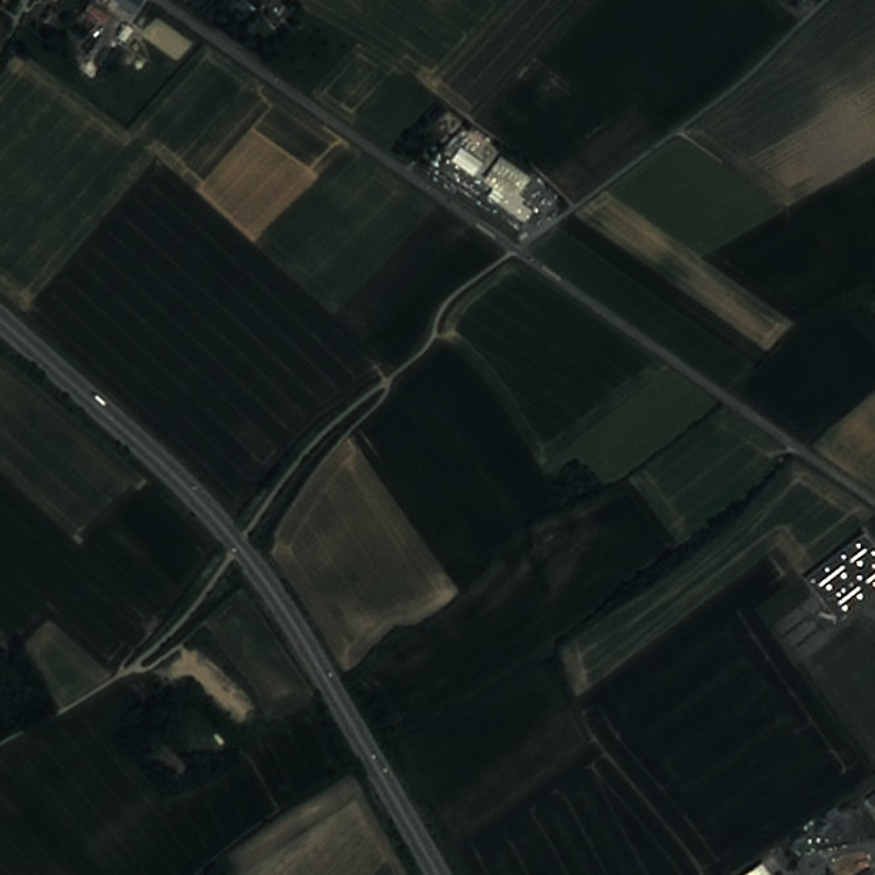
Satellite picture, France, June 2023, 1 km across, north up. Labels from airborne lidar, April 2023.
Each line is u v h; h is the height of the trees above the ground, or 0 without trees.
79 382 0
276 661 0
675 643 0
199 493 0
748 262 0
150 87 0
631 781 0
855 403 0
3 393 0
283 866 0
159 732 8
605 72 0
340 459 0
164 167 0
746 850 0
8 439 0
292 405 0
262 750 0
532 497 0
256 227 0
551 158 0
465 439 0
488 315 0
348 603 0
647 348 0
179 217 0
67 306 0
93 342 0
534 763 0
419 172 0
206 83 0
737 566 0
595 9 0
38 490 0
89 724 0
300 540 0
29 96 0
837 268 0
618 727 0
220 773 6
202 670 0
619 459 0
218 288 0
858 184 0
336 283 0
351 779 0
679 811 0
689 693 0
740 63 0
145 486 0
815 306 0
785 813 0
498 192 0
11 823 0
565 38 0
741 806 0
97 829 0
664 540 0
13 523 0
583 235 0
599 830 0
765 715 0
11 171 0
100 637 0
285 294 0
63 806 0
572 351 0
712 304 0
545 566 0
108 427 0
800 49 0
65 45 7
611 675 0
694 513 0
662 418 0
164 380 0
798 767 0
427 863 0
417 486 0
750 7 0
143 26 0
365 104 0
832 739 0
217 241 0
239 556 0
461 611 0
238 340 0
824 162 0
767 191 0
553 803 0
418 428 0
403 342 0
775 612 0
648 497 0
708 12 0
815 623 0
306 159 0
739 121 0
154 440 0
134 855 0
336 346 0
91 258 0
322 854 0
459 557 0
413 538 0
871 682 0
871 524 0
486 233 0
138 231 0
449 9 0
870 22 0
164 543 0
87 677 0
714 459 0
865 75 0
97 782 0
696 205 0
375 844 0
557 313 0
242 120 0
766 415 0
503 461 0
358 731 0
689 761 0
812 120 0
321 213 0
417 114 0
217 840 0
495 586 0
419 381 0
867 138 0
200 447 0
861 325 0
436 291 0
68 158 0
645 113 0
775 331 0
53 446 0
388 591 0
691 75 0
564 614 0
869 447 0
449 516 0
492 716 0
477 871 0
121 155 0
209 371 0
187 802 0
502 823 0
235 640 0
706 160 0
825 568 0
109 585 0
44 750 0
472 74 0
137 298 0
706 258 0
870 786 0
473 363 0
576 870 0
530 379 0
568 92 0
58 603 0
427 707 0
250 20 7
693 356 0
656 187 0
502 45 0
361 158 0
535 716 0
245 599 0
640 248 0
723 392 0
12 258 0
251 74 0
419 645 0
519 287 0
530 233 0
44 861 0
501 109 0
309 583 0
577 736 0
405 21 0
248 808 0
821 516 0
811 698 0
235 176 0
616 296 0
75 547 0
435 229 0
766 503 0
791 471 0
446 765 0
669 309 0
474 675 0
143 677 0
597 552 0
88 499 0
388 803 0
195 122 0
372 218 0
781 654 0
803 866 0
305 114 0
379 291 0
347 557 0
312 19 0
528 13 0
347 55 0
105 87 0
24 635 0
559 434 0
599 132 0
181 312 0
